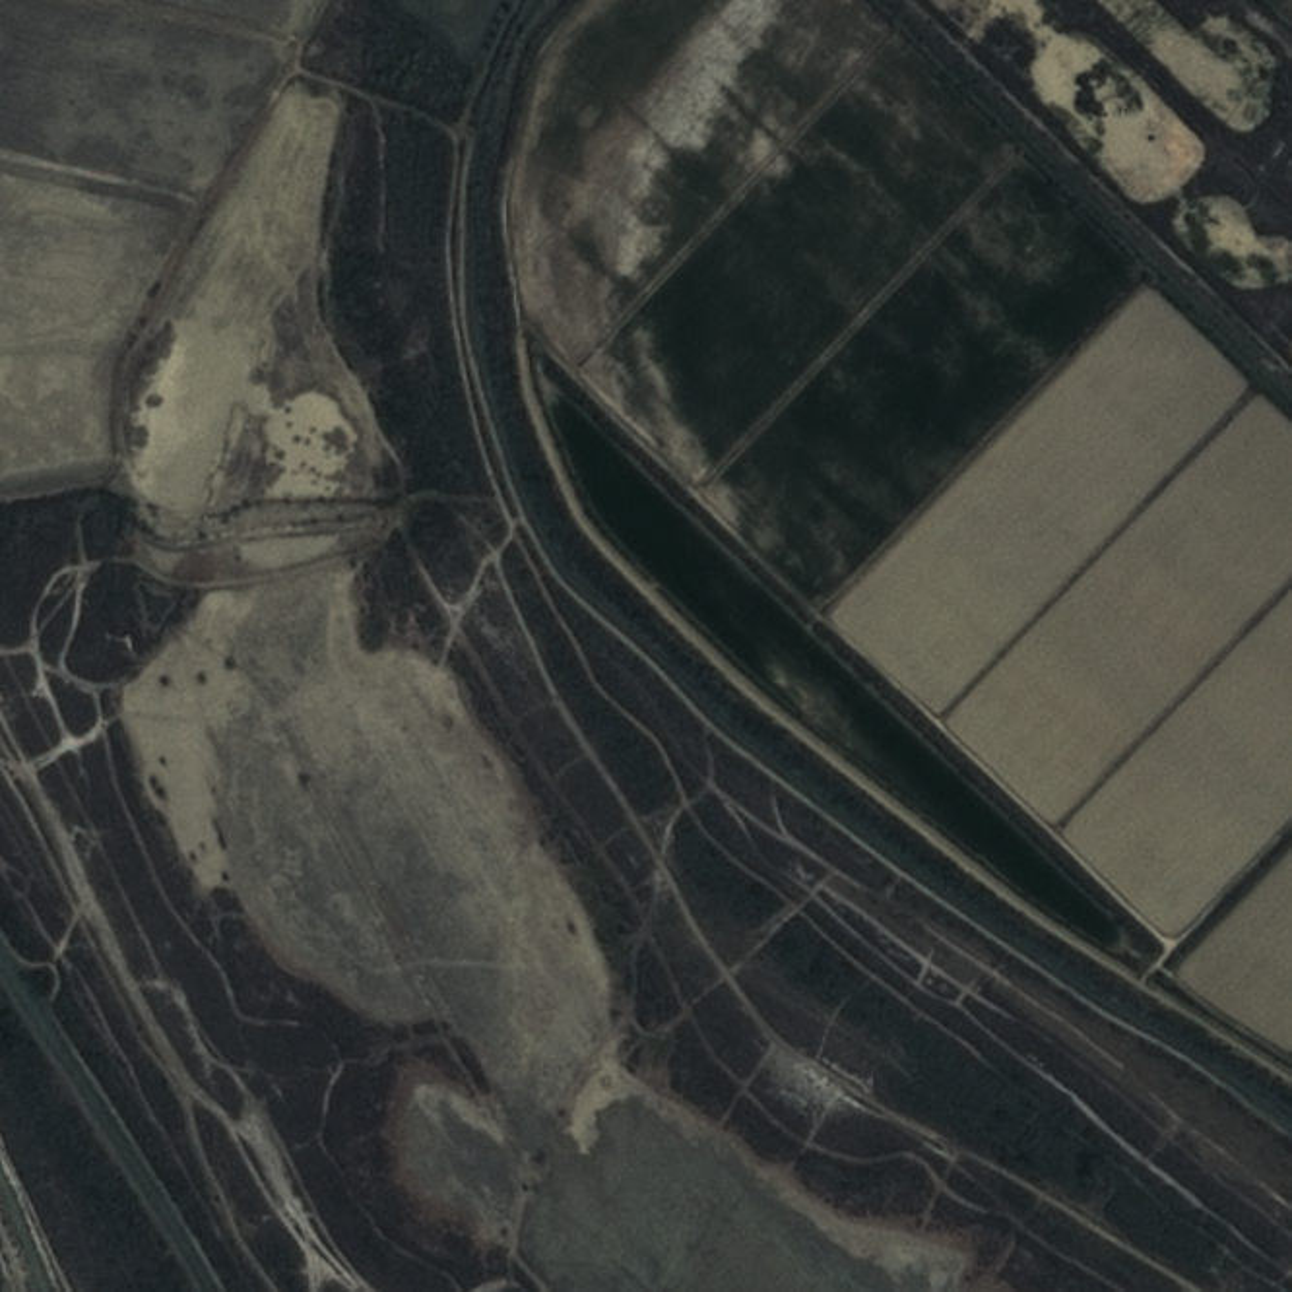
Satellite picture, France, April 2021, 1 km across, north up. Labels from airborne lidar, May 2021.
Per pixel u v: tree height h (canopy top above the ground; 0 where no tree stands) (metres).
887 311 0
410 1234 0
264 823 0
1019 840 0
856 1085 0
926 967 0
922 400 0
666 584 0
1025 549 0
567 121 0
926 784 0
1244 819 0
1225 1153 0
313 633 0
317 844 0
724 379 0
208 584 0
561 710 0
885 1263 0
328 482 0
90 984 0
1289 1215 0
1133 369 0
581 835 0
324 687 0
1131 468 0
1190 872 0
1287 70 0
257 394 0
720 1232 0
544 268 0
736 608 0
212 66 0
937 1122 0
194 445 0
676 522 0
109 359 0
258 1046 0
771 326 0
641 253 0
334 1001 0
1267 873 0
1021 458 0
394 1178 0
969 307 0
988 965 0
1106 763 0
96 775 0
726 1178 0
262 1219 0
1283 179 0
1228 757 0
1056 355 0
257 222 0
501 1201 0
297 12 0
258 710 0
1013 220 0
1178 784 0
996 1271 0
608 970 0
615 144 0
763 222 0
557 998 0
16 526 8
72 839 0
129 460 0
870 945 0
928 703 0
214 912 0
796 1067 0
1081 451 0
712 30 0
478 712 0
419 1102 0
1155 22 0
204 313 0
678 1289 0
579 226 0
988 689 0
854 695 0
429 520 0
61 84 0
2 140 0
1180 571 0
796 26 0
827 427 0
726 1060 0
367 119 0
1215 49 0
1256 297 0
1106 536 0
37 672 0
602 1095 0
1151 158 0
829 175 0
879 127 0
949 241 0
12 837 0
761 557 0
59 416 0
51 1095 6
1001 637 0
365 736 0
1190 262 0
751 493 0
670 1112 0
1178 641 0
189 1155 0
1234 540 0
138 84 0
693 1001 0
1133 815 0
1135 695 0
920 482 0
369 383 0
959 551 0
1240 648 0
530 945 0
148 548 0
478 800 0
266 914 0
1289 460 0
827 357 0
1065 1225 0
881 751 0
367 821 0
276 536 0
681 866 0
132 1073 0
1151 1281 0
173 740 0
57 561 0
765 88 0
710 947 0
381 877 0
